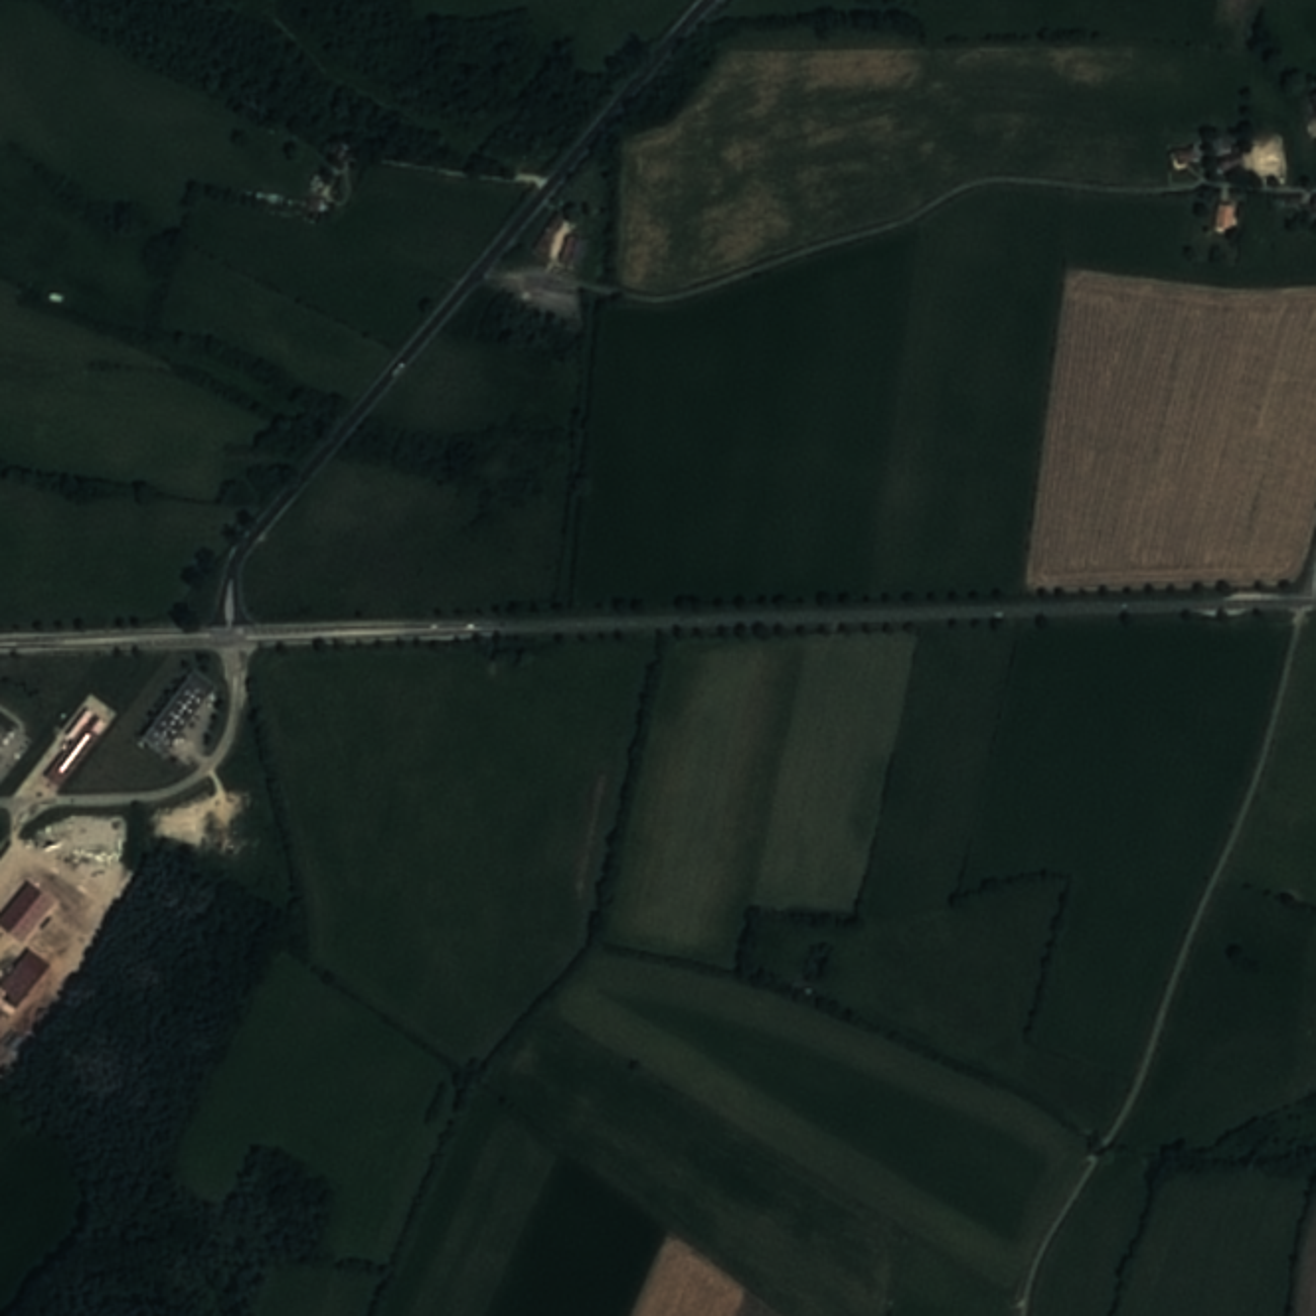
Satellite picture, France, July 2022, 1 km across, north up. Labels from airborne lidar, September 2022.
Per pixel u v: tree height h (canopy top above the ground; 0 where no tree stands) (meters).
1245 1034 0
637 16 0
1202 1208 0
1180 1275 0
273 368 12
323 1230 11
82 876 0
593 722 0
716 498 0
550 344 10
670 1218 0
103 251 0
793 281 0
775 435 0
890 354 0
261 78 8
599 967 0
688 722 0
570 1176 0
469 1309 0
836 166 0
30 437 0
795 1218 0
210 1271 20
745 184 0
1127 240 0
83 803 0
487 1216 0
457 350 0
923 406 0
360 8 12
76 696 0
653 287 0
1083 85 0
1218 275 0
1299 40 0
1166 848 0
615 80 8
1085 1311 0
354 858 0
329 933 0
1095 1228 0
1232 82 0
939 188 0
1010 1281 0
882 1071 0
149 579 0
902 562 0
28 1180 0
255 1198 16
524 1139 0
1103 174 0
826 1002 11
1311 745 0
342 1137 0
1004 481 0
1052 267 0
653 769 0
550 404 0
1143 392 0
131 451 0
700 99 0
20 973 0
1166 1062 0
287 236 0
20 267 0
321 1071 0
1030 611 0
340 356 0
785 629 13
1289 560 0
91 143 0
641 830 0
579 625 0
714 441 0
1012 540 0
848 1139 0
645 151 0
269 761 10
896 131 0
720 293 0
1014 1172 0
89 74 0
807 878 0
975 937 0
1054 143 0
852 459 0
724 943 0
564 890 0
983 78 0
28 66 0
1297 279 0
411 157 20
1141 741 0
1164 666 0
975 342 0
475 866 0
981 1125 0
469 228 0
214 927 16
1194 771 0
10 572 0
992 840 0
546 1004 7
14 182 0
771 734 0
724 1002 0
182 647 0
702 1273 0
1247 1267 0
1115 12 0
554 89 8
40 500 0
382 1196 0
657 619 0
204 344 7
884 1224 0
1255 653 0
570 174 7
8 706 0
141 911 20
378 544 0
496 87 7
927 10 0
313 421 8
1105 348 0
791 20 6
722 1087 0
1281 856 0
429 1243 0
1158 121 0
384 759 0
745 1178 0
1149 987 0
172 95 0
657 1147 0
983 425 0
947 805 0
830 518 0
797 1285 0
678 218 0
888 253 0
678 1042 0
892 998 0
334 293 0
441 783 0
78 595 0
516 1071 0
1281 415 0
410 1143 0
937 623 0
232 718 0
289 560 0
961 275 0
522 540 0
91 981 19
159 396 0
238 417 0
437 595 0
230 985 19
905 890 0
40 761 0
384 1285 8
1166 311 0
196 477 0
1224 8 0
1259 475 0
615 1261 0
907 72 0
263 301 0
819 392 0
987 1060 0
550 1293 0
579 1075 0
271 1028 0
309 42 0
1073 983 0
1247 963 8
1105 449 0
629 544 0
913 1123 0
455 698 0
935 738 0
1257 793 0
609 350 0
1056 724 0
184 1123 14
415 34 6
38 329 0
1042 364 0
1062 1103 0
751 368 0
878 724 0
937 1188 0
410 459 6
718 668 0
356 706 0
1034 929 0
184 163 0
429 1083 0
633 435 0
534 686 0
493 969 0
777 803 0
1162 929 0
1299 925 0
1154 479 0
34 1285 18
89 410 0
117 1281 19
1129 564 0
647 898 0
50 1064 21
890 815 0
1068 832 0
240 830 0
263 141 0
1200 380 0
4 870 0
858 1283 0
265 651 11
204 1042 20
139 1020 22
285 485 12
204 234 0
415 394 0
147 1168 16
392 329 0
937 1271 0
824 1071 0
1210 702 0
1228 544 0
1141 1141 0
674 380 0
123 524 0
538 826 0
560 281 0
